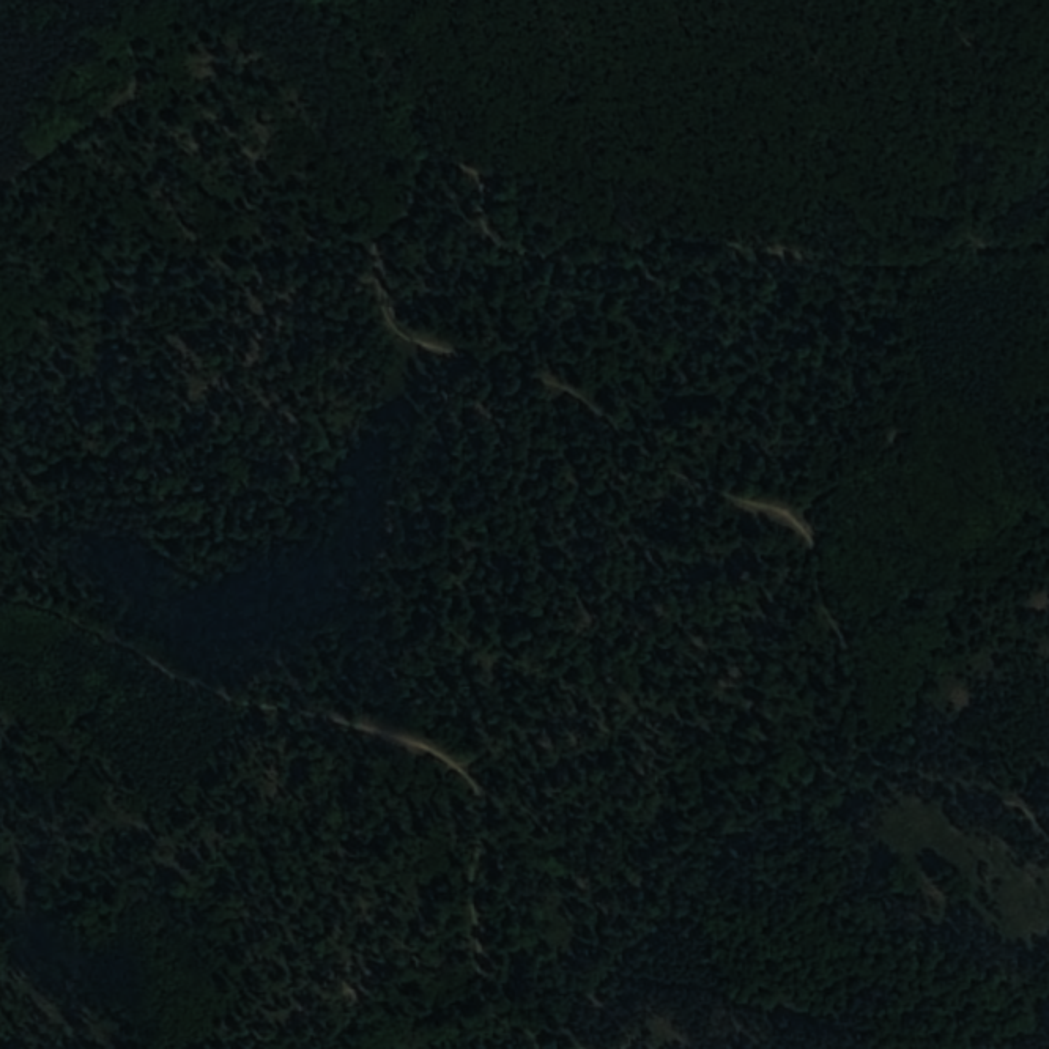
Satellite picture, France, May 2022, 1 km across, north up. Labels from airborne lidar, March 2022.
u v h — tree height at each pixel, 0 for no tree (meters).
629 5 22
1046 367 24
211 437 35
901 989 33
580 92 23
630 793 42
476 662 17
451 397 36
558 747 36
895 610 20
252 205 34
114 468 37
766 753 36
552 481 38
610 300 20
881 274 15
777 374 36
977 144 25
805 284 29
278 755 34
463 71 25
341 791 7
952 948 33
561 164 20
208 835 0
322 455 38
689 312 27
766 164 26
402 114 16
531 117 24
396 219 23
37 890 34
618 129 23
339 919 36
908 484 15
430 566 39
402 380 0
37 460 36
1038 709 14
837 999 33
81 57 25
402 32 22
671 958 30
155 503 36
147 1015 7
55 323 35
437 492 42
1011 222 22
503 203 31
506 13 21
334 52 21
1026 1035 31
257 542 36
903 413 14
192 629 25
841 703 9
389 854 37
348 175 18
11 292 21
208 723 15
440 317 32
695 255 32
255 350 36
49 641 15
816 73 25
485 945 25
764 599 0
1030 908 0
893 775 29
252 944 33
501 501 38
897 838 0
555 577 38
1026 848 32
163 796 15
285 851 34
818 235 21
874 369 18
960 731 11
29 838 33
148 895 35
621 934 35
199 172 6
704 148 27
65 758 27
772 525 7
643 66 23
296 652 31
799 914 29
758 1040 37
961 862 0
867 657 23
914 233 20
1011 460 15
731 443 38
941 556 14
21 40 27
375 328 37
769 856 21
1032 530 13
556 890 36
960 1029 34
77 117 18
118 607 32
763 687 41
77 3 26
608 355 17
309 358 37
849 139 25
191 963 7
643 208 19
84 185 10
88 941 32
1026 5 26
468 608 14
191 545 36
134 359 34
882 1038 28
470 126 25
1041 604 0
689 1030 32
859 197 25
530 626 37
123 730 16
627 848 7
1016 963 33
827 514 19
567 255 32
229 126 36
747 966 35
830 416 12
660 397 21
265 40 22
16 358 23
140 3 28
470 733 36
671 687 40
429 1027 13
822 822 26
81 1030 34
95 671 16
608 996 19
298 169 12
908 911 34
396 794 36
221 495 36
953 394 13
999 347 12
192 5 19
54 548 35
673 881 32
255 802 38
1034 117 27
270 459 28
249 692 36
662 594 41
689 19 23
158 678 15
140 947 10
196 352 37
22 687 13
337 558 37
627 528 37
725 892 28
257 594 37
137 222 16
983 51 30
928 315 16
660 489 37
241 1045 31
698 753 13
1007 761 8
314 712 0
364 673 35
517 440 39
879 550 14
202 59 0
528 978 35
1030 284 18
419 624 35
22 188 17
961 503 15
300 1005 37
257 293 35
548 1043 24
